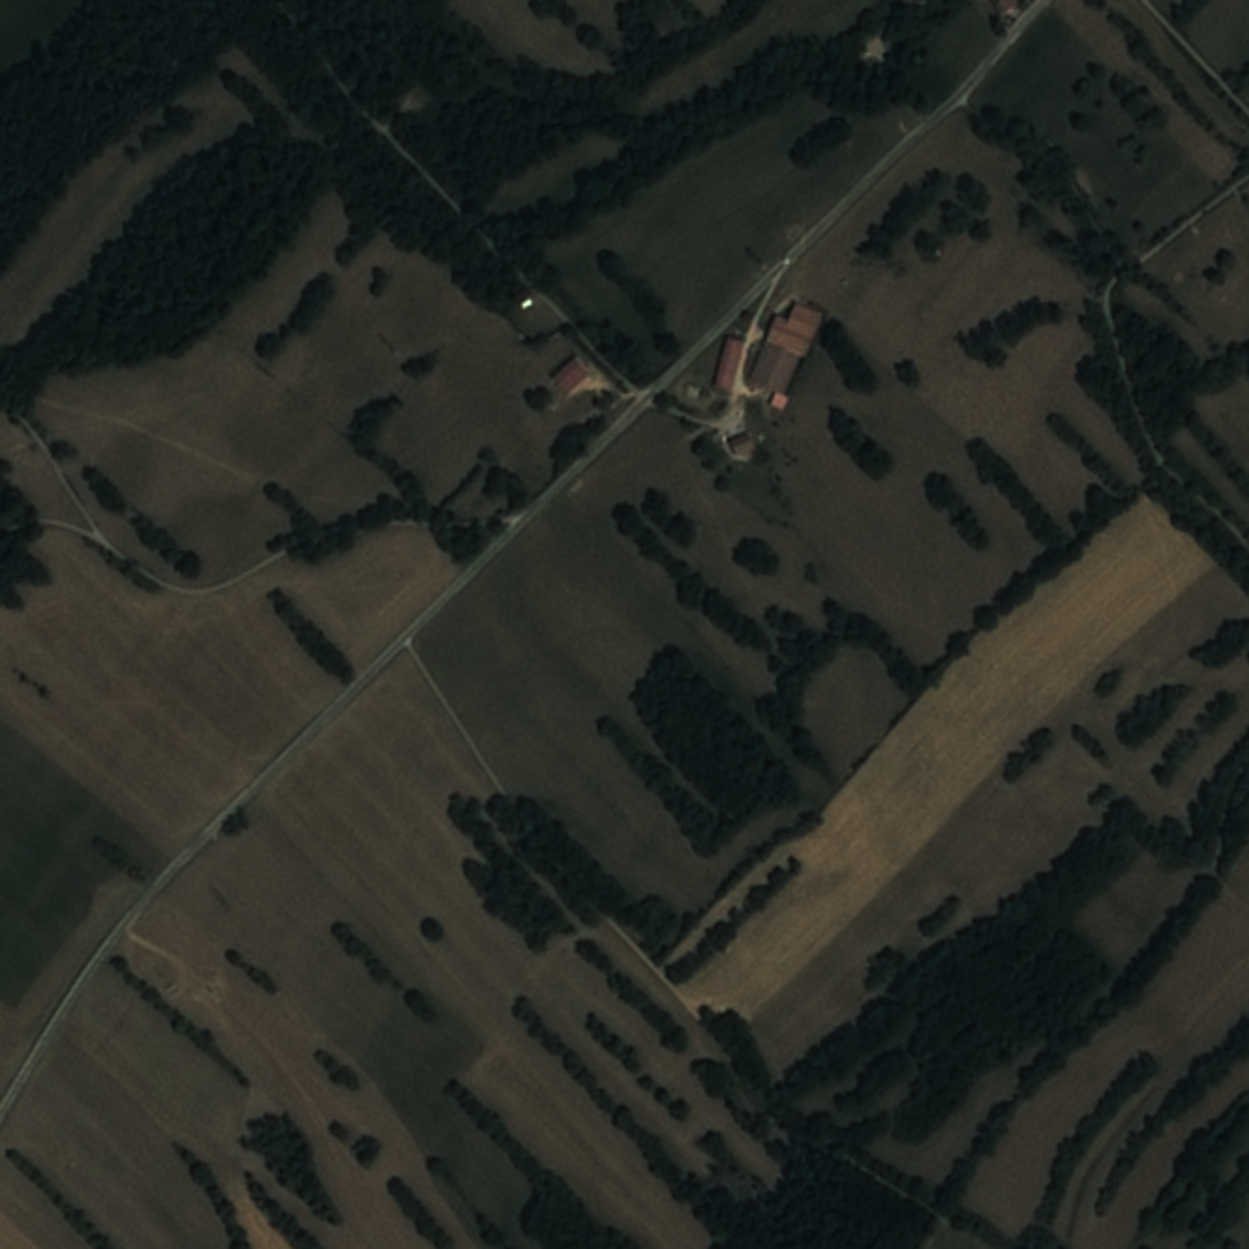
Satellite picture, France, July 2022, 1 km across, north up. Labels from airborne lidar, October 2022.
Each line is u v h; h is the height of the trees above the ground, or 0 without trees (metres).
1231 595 0
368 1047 0
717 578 0
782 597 0
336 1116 0
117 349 17
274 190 21
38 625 0
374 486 0
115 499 16
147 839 0
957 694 0
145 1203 0
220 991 0
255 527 0
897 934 0
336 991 0
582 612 0
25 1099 0
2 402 16
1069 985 8
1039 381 0
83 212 0
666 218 0
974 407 0
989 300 0
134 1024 0
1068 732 0
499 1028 0
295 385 0
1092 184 0
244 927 0
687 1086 0
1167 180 0
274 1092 0
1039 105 0
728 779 18
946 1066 13
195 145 0
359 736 0
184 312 21
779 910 0
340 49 9
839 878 0
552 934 6
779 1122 16
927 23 7
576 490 0
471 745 0
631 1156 0
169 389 0
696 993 0
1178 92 6
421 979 0
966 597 0
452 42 17
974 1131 0
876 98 18
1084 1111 0
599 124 18
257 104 22
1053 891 18
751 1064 16
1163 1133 14
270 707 0
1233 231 0
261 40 19
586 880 17
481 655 0
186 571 18
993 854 0
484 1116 13
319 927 0
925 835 0
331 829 0
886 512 0
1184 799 0
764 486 0
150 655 0
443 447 0
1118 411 12
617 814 0
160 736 0
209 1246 0
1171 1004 0
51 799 0
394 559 0
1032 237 0
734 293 0
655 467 0
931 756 0
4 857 0
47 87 24
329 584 0
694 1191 20
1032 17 0
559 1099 0
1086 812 0
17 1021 0
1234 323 0
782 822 0
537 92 17
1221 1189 13
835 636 13
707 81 0
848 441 19
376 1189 0
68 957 0
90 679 0
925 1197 17
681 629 0
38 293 0
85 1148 0
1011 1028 10
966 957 13
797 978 0
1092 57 0
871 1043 16
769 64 23
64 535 0
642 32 16
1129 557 0
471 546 18
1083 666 0
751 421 0
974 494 0
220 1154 0
